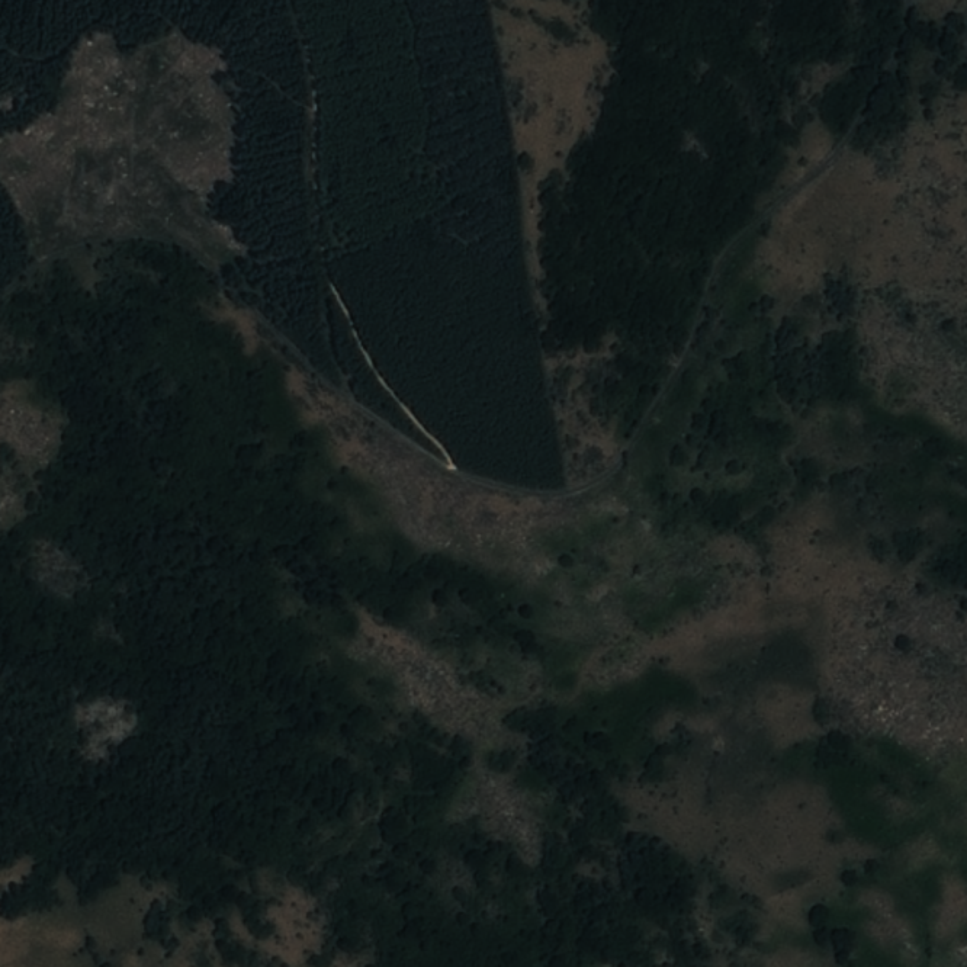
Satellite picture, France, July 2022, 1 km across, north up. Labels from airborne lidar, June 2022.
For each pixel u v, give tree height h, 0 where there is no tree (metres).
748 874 0
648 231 18
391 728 0
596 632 0
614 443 0
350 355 17
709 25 12
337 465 0
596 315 16
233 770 18
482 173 15
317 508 7
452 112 14
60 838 7
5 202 24
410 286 11
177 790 20
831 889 0
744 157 13
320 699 17
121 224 0
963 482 7
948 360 0
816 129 0
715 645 0
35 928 0
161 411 20
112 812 18
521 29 0
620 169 11
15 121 19
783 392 7
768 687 0
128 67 0
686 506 8
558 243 8
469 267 18
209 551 19
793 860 0
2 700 9
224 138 0
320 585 23
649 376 12
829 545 0
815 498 0
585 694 0
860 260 0
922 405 0
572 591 0
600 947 15
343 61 20
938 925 0
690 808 0
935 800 0
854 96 6
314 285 20
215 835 14
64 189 0
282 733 16
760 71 7
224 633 18
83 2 24
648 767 10
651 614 0
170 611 15
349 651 0
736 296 0
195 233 0
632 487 0
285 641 6
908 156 0
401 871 9
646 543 0
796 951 0
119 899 0
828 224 0
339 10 20
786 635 0
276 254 21
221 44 19
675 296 10
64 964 0
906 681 0
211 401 8
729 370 9
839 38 10
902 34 14
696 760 0
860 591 0
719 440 16
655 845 15
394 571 6
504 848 8
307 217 21
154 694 16
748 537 6
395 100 17
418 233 17
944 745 0
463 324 12
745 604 0
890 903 0
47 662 18
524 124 0
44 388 5
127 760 14
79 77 0
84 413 22
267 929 6
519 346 15
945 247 0
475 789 0
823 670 0
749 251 0
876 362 0
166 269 17
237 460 8
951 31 12
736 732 0
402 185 16
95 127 0
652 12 14
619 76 6
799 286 0
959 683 0
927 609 0
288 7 21
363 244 16
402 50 15
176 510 7
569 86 0
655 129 13
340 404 0
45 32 23
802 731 0
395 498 0
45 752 13
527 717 6
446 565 7
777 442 6
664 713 0
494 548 0
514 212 18
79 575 7
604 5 10
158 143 0
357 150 18
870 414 0
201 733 18
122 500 7
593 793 10
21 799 20
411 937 12
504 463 16
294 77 18
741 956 0
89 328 11
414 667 0
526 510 0
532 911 9
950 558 5
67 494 9
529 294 17
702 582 0
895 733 0
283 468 7
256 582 6
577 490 0
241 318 0
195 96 0
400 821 14
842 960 16
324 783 13
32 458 0
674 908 13
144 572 20
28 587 13
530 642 13
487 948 6
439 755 6
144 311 10
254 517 6
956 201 0
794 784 0
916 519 0
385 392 17
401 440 0
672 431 0
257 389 7
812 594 0
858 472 8
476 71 13
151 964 0
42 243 0
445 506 0
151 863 8
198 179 0
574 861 6
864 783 0
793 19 11
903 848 0
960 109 0
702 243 13
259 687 10
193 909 9
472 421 13
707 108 9
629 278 12
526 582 0
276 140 21
